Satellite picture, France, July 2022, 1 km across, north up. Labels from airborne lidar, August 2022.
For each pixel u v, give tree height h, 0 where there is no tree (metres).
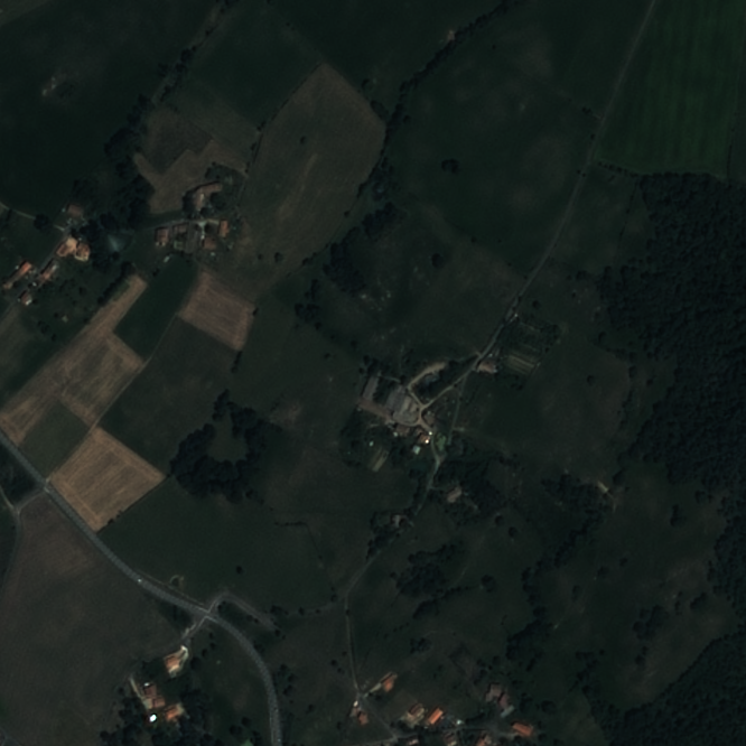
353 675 0
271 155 0
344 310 0
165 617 0
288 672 15
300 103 0
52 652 0
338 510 0
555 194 0
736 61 0
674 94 0
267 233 0
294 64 0
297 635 0
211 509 0
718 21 0
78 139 0
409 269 0
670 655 0
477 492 12
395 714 0
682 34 0
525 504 0
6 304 0
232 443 0
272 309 0
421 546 0
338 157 0
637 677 0
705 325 14
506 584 0
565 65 0
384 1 0
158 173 0
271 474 0
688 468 21
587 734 0
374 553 11
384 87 0
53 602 0
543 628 18
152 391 0
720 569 12
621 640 0
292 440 0
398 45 0
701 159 0
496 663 11
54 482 0
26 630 0
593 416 0
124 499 0
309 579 0
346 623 0
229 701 0
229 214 0
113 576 0
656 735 16
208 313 0
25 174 0
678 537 0
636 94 0
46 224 27
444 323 0
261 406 0
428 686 0
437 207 0
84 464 0
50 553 0
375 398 8
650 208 11
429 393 14
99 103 0
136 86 0
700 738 16
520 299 7
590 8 0
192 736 23
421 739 13
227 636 0
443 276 0
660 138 0
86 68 0
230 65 0
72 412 0
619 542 0
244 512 0
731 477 10
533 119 0
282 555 0
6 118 0
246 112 0
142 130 32
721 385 19
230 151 0
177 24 0
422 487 9
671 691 12
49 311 0
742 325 29
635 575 0
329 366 0
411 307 0
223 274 0
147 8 0
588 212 0
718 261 28
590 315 0
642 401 0
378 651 0
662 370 0
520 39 0
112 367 0
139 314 0
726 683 18
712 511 0
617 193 0
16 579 0
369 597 0
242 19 0
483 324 0
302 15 0
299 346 0
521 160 0
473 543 0
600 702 14
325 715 0
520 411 0
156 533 0
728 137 0
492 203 0
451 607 0
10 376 0
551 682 0
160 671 0
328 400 0
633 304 14
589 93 0
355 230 6
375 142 0
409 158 0
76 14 0
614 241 0
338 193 0
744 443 22
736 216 22
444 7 0
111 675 0
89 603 0
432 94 0
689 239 20
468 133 0
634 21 0
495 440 0
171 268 0
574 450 0
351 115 0
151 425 0
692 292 21
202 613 0
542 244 0
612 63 0
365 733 0
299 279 0
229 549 0
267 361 0
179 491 0
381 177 16
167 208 0
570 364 0
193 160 0
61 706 0
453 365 13
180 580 0
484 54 0
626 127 0
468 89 0
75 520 0
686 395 15
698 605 13
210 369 0
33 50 0
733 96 0
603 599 0
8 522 0
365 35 0
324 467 0
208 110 0
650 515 0
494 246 0
